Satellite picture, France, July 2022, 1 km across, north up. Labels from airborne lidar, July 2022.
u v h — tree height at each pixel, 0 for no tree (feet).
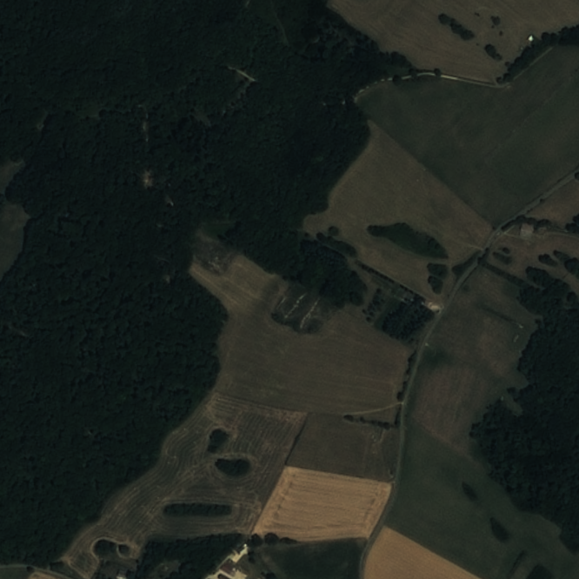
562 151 0
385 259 0
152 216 69
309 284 71
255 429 0
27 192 63
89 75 67
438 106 0
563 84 0
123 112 18
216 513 35
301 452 0
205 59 65
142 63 74
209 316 73
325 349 0
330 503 0
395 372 0
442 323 0
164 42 73
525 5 0
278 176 58
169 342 84
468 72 0
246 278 0
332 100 60
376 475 0
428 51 0
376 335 0
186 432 0
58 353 71
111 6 78
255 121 63
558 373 71
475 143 0
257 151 64
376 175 0
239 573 0
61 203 56
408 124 0
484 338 0
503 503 0
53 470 73
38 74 64
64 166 71
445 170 0
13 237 0
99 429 68
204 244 0
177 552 62
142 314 76
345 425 0
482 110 0
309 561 0
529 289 44
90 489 70
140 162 67
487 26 0
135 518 0
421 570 0
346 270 82
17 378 66
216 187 64
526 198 0
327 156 67
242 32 66
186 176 47
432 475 0
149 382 93
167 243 83
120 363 79
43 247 87
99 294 74
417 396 0
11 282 53
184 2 68
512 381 0
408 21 0
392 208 0
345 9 0
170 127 84
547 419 75
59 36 76
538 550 0
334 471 0
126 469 73
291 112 64
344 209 0
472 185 0
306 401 0
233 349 0
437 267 28
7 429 69
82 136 41
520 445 66
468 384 0
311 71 79
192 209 69
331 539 0
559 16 0
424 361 0
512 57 0
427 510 0
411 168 0
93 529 0
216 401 0
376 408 0
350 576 0
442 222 0
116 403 60
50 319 63
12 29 74
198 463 0
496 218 0
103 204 71
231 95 54
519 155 0
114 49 55
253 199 61
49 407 71
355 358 0
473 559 0
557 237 0
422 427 0
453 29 23
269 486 0
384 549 0
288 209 92
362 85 59
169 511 28
